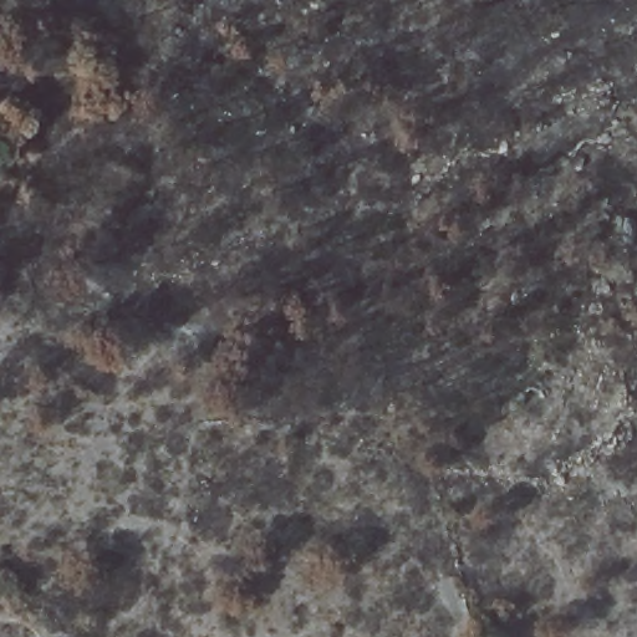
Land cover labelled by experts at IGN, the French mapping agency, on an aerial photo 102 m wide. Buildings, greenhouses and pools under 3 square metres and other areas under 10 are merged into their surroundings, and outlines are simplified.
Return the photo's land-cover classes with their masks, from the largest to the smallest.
<instances>
[{"label":"bare soil","instance_id":"1","mask_svg":"<svg viewBox=\"0 0 637 637\"><path fill-rule=\"evenodd\" d=\"M124 10L132 15L137 42L149 55L147 65L137 72V92L149 90L154 102L144 109V114H132V122H122L119 117L87 122L72 119V114L65 112L55 119L50 129V149L30 152V164L5 167V177L22 179V184H27L30 192H35L40 199L50 204L75 207L82 199H95L100 224L95 231L92 251L80 266V271L90 276L87 291L109 301L107 319L112 331H117L122 323L139 326V338L134 341L139 356L134 361H124L122 356L102 361L85 353V363L102 373L117 376V398L112 403H102L100 398L82 403L87 411L95 413L87 435L70 433L60 423L42 425L37 413L42 381H27V396L0 401V637H637V0H122ZM266 269H284L299 281H316L326 276L328 284L341 289L346 301V316L326 336L316 361L309 368L284 373L281 378L244 376L239 381L244 403L241 408L231 411L224 403H219L216 396L199 391V378L194 371L184 368L179 348H187L192 343L197 346L199 333H212V326L229 294L251 289V279L256 276V271ZM45 323L40 314L30 321L17 316L0 319V363L7 358L10 348L22 336L40 333Z\"/></svg>","mask_w":637,"mask_h":637},{"label":"coniferous trees","instance_id":"2","mask_svg":"<svg viewBox=\"0 0 637 637\"><path fill-rule=\"evenodd\" d=\"M149 55L137 42L132 15L124 10L122 0H0V319L17 316L30 321L40 314L45 323L40 333L22 336L10 348L7 358L0 363V401L27 396V381H42L37 413L42 425L60 423L70 433L87 435L95 413L87 411L82 403L100 398L102 403H112L117 398V376L102 373L85 363V353L102 361L122 356L124 361H134L139 356L134 341L139 338V326L122 323L117 331H112L107 319L109 301L87 291L90 276L80 271V266L92 251L95 231L100 224L95 199H82L75 207L50 204L40 199L35 192H30L27 184H22V179L5 177V167L30 164V152L50 149V129L55 119L65 112L72 114V119L87 122L119 117L122 122H132V114H144V109L154 102L149 90L137 92V72L147 65ZM251 289L229 294L212 326V333H199L197 346L192 343L187 348H179L184 368L194 371L199 378V391L216 396L219 403H224L231 411L241 408L244 403L239 381L244 376L281 378L284 373L309 368L316 361L326 336L346 316V301L341 289L328 284L326 276L316 281H299L284 269H266L256 271V276L251 279Z\"/></svg>","mask_w":637,"mask_h":637}]
</instances>
